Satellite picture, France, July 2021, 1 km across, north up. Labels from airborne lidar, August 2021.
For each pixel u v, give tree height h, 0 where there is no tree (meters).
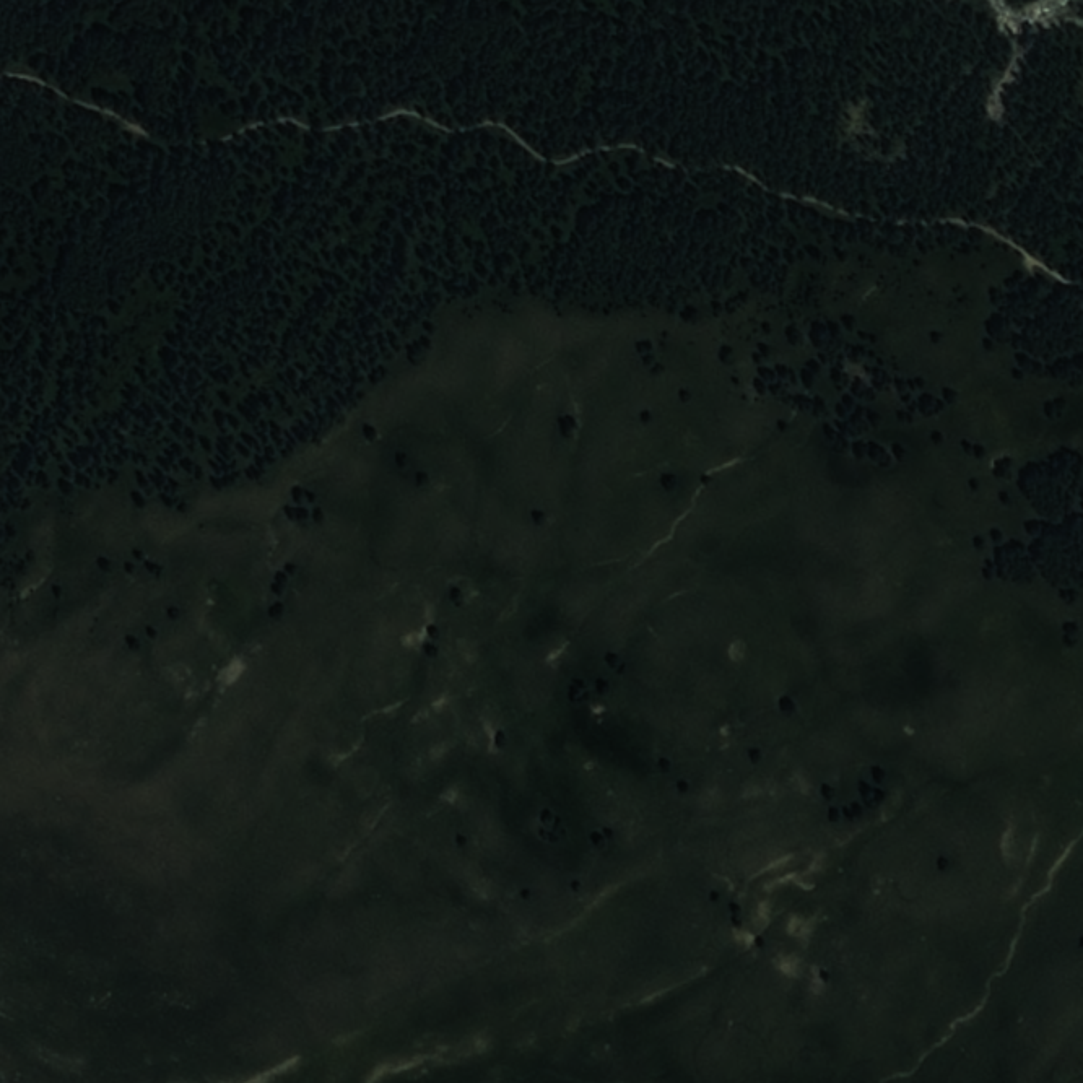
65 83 25
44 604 0
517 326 0
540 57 17
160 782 0
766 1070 0
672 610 0
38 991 0
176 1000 0
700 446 0
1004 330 23
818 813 0
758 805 0
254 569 0
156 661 0
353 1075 0
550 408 0
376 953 0
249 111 16
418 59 27
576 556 0
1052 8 0
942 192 19
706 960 0
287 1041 0
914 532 0
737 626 0
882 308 0
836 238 24
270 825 0
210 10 21
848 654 0
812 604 0
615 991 0
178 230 15
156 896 0
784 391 17
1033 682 0
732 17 15
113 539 0
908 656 0
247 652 0
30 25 24
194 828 0
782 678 0
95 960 0
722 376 0
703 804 0
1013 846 0
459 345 0
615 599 0
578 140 19
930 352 0
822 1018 0
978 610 0
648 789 0
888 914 0
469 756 0
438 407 0
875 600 0
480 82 24
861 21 21
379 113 11
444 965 0
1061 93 21
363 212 17
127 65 22
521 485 0
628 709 0
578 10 26
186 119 25
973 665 0
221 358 19
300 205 11
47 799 0
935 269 0
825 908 0
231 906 0
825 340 25
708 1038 0
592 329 0
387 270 10
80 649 0
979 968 0
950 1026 0
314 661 0
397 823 0
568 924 0
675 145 16
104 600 0
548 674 0
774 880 0
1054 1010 0
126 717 0
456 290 19
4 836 0
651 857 0
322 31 20
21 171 21
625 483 0
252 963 0
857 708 0
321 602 0
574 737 0
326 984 0
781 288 20
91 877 0
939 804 0
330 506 0
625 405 0
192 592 0
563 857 0
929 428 0
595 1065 0
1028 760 0
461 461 0
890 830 0
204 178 20
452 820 0
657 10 26
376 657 0
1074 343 25
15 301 15
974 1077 0
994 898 0
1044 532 25
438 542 0
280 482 0
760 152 24
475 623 0
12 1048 0
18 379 8
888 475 0
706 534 0
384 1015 0
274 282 13
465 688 0
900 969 0
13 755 0
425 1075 0
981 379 0
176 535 0
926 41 19
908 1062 0
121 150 14
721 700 0
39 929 0
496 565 0
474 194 19
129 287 9
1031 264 0
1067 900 0
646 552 0
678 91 17
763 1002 0
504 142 16
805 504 0
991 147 6
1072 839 0
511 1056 0
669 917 0
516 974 0
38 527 0
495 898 0
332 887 0
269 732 0
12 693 0
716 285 19
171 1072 0
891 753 0
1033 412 0
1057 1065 0
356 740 0
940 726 0
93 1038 0
